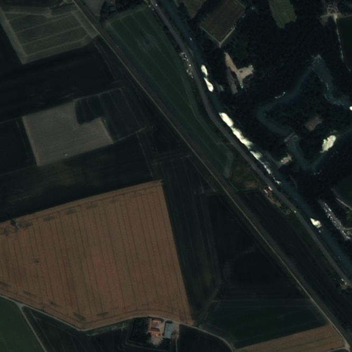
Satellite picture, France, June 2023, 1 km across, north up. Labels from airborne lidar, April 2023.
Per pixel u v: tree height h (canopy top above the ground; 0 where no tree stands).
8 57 0
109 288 0
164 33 0
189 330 0
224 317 0
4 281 0
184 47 0
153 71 0
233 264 0
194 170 0
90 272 0
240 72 0
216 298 0
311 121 0
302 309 0
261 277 0
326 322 0
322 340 0
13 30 0
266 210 0
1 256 0
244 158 0
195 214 0
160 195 0
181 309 0
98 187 0
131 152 0
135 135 0
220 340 0
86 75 0
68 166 0
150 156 0
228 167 0
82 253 0
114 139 0
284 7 0
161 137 0
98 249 0
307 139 21
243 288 0
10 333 0
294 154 0
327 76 0
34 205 0
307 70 0
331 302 0
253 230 0
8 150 0
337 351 0
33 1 0
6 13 0
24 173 0
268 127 0
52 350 0
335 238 10
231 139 0
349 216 0
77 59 0
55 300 0
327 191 23
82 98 0
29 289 0
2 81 0
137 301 0
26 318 0
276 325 0
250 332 0
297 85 0
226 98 20
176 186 0
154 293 0
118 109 0
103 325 0
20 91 0
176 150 0
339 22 0
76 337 0
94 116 0
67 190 0
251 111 23
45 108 0
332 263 0
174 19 0
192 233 0
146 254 0
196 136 0
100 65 0
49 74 0
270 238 0
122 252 0
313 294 0
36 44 0
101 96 0
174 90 0
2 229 0
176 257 0
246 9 0
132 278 0
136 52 0
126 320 0
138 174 0
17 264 0
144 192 0
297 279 0
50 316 0
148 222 0
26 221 0
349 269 0
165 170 0
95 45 0
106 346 0
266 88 27
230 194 0
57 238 0
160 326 0
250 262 0
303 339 0
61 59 0
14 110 0
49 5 0
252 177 0
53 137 0
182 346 0
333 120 19
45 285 0
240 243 0
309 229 0
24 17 0
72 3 0
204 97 0
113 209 0
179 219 0
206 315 0
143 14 0
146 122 0
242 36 7
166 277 0
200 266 0
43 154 0
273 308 0
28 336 0
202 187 0
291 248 0
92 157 0
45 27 0
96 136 0
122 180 0
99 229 0
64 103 0
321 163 0
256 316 0
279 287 0
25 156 0
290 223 0
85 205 0
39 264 0
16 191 0
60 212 0
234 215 0
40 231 0
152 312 0
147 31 0
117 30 0
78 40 0
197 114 0
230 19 0
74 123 0
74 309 0
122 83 0
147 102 0
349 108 0
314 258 0
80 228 0
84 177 0
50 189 0
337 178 22
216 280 0
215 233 0
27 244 0
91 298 0
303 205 0
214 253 0
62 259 0
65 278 0
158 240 0
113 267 0
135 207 0
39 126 0
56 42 0
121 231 0
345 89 28
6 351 0
